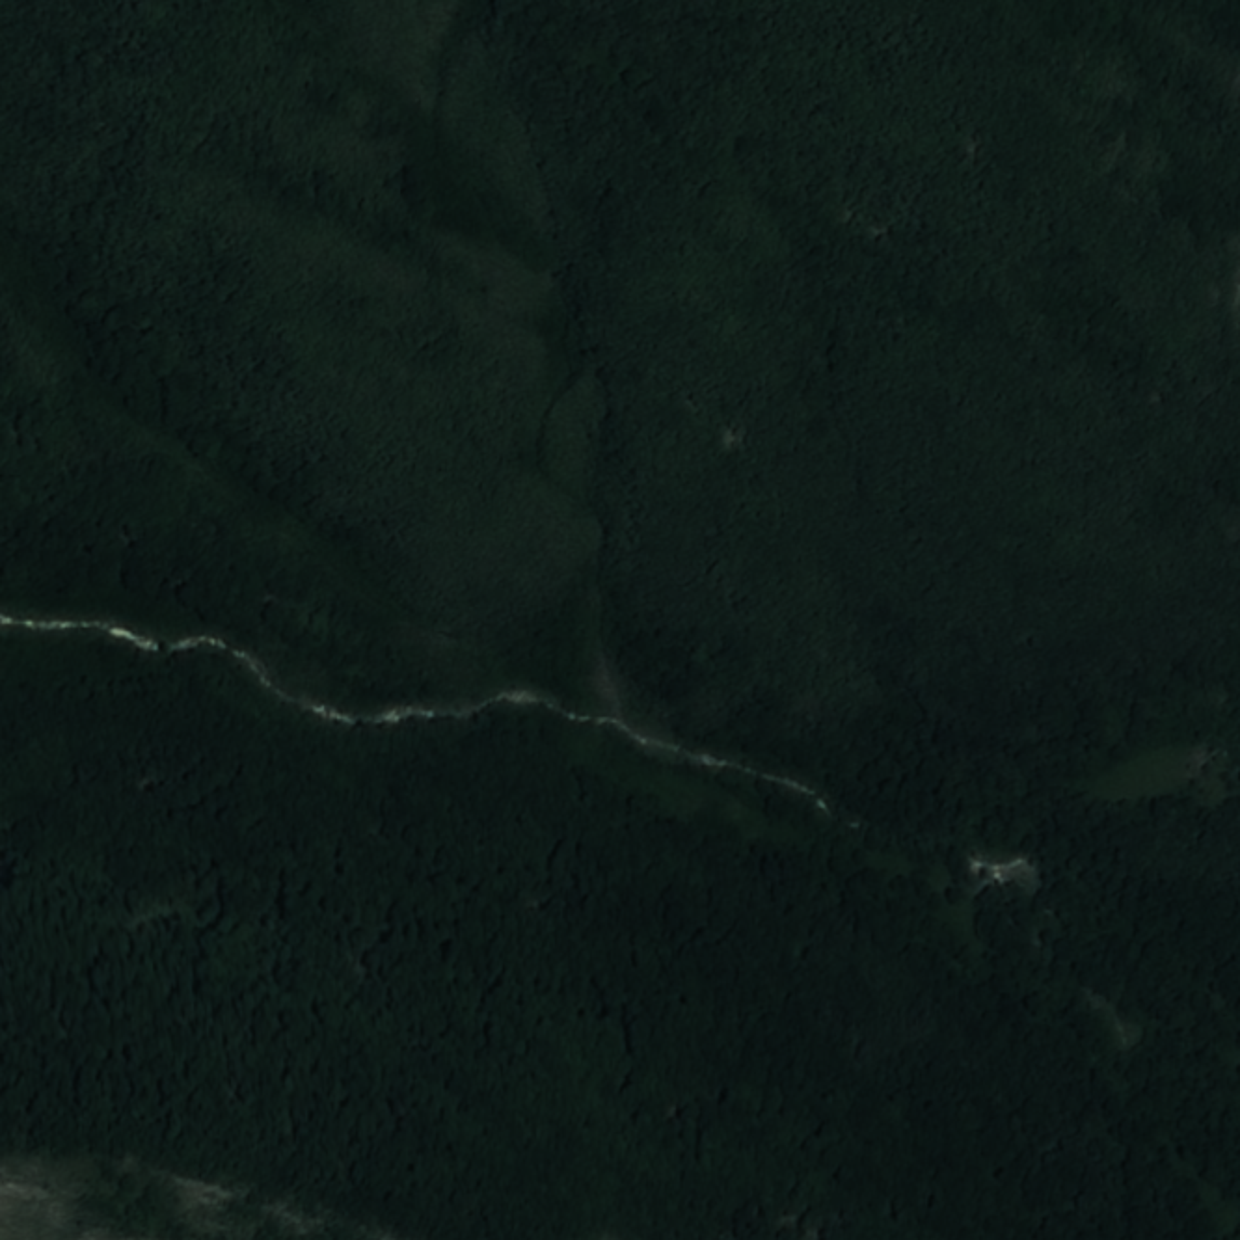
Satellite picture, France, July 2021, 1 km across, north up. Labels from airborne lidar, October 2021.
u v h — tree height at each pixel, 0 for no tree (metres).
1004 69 9
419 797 30
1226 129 23
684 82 14
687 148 21
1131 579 16
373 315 7
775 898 25
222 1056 29
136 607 7
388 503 15
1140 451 16
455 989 30
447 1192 18
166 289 15
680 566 14
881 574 18
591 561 7
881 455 16
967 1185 29
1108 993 22
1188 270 7
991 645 18
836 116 16
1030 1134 18
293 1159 20
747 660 17
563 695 6
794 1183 20
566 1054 28
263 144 18
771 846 7
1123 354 12
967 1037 23
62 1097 23
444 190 6
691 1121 32
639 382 18
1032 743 21
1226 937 25
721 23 20
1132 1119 12
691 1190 21
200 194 7
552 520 6
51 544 32
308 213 14
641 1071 31
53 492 27
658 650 23
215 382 16
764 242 9
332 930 31
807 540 16
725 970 25
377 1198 22
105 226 9
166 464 22
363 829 29
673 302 13
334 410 11
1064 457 19
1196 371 13
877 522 18
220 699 27
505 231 6
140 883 21
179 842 30
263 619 19
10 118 11
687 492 15
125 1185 17
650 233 14
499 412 9
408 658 9
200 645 7
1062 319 13
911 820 19
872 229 7
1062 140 10
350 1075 19
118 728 26
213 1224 6
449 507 11
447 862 29
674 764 6
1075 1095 28
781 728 17
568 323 6
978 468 14
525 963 36
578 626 7
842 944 26
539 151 11
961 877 19
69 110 11
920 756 21
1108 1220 26
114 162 16
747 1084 36
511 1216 25
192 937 19
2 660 7
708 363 15
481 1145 26
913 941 7
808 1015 18
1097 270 18
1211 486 20
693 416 17
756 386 13
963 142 16
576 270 18
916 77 14
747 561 16
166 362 29
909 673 22
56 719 23
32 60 12
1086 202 12
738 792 9
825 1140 33
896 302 19
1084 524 15
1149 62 18
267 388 11
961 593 17
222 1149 20
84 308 18
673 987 25
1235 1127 26
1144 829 21
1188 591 13
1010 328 16
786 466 18
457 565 7
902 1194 32
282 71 9
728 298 14
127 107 12
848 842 10
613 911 28
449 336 17
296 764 26
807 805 9
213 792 28
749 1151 33
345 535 14
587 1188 23
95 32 13
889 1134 29
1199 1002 19
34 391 8
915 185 12
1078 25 17
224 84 11
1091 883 21
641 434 18
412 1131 25
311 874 27
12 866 28
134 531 27
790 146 19
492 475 8
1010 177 17
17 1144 13
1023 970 18
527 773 26
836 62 11
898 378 15
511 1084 29
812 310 26
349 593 6
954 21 10
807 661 16
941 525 20
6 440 28
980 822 10
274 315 17
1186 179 20
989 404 15
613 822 30
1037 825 9
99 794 27
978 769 22
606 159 12
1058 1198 23
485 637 13
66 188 15
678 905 25
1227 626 15
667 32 17
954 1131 27
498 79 9
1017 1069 21
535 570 10
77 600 6
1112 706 14
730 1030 26
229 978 28
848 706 18
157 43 16
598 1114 24
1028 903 11
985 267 12
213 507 18
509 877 31
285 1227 7
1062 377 14
